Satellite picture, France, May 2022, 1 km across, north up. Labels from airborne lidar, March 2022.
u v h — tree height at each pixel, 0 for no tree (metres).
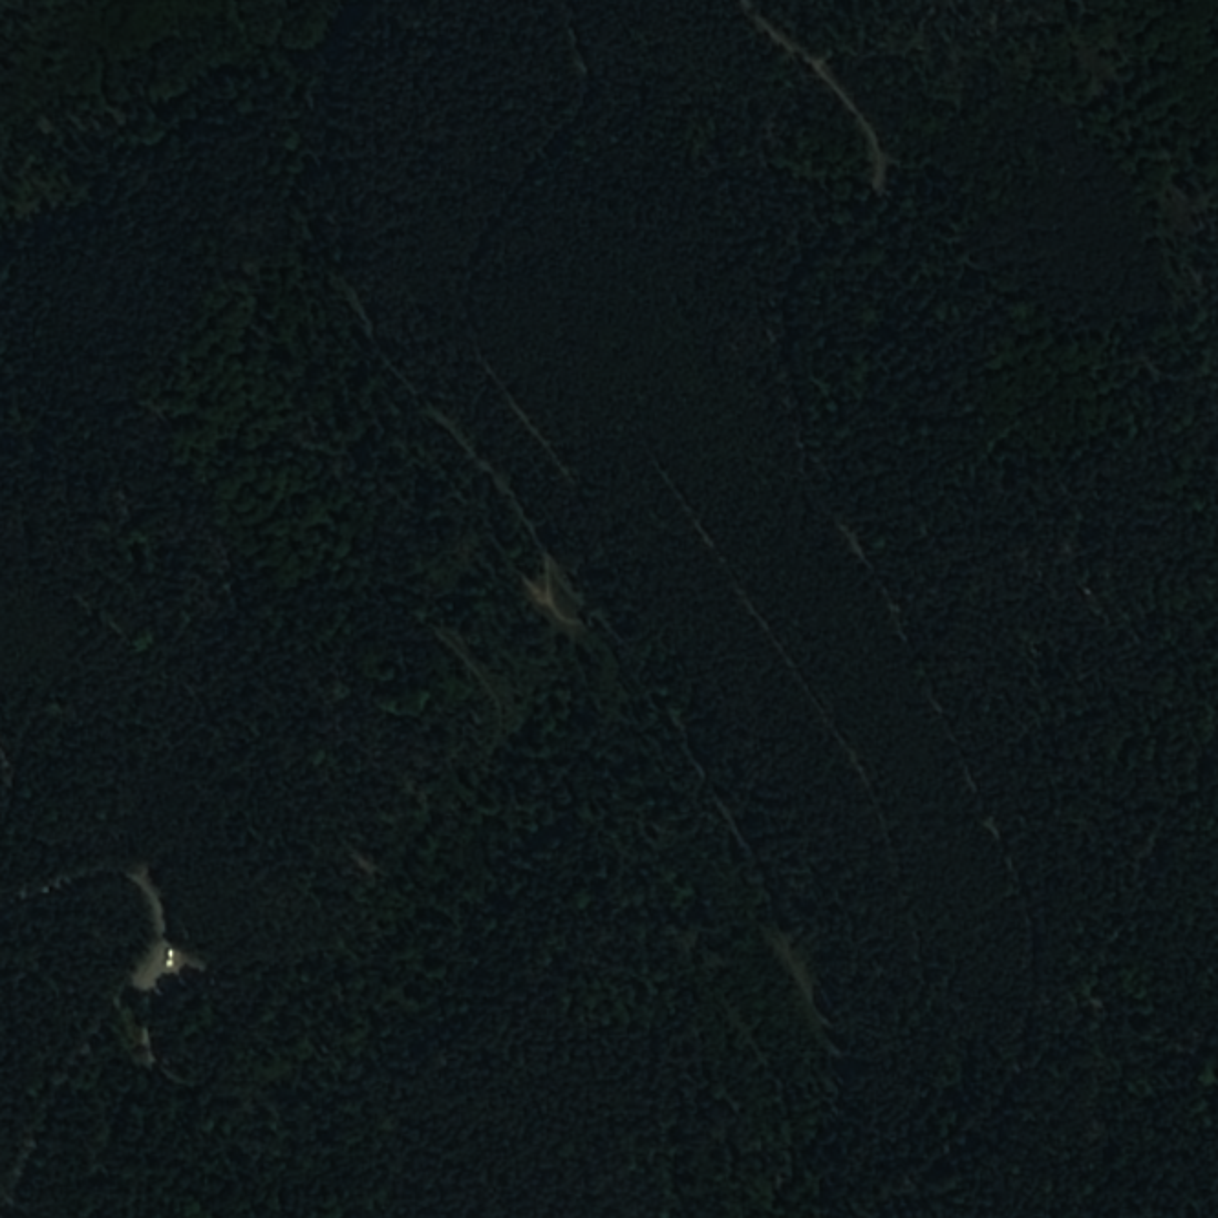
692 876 13
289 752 29
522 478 31
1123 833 23
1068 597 30
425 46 33
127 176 30
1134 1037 29
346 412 32
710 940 9
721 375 21
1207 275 25
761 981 11
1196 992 22
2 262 29
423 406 13
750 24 27
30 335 22
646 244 20
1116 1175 28
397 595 31
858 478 22
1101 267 15
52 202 0
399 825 29
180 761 23
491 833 16
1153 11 20
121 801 23
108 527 27
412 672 26
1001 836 23
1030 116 16
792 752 22
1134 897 24
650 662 33
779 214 27
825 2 28
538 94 25
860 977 25
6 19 24
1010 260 13
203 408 30
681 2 22
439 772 28
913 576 30
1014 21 29
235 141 23
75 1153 21
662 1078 30
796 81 32
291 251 14
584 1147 32
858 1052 30
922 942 24
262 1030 34
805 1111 14
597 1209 25
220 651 30
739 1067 20
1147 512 30
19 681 22
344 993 34
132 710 20
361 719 31
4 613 20
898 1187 33
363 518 28
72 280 24
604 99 24
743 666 23
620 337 20
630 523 24
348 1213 27
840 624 20
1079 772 27
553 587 0
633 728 25
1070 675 27
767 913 13
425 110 24
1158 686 26
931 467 23
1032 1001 24
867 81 15
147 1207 23
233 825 18
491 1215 25
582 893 28
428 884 14
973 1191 24
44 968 24
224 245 29
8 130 15
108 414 29
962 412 21
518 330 20
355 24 32
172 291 29
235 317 35
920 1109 28
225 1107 33
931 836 17
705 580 23
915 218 27
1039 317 19
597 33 27
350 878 29
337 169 33
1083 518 28
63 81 12
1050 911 23
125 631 27
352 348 8
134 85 21
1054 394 23
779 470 20
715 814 15
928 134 13
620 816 7
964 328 26
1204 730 13
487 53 26
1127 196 13
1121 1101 27
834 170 18
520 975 28
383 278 29
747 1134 30
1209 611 26
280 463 28
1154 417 30
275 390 28
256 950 26
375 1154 23
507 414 25
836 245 28
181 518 28
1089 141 11
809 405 26
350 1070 29
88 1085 22
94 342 24
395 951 29
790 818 18
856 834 24
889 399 24
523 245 22
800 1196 14
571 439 23
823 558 20
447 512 35
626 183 13
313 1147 26
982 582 25
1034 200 13
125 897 20
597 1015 27
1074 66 16
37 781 24
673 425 22
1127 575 30
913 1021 20
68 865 21
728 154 26
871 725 21
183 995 28
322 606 28
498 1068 27
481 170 19
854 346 27
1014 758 23
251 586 29
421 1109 23
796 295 27
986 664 27
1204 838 22
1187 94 20
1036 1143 24
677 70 23
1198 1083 27
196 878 21
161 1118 28
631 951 26
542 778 34
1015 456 30
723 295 23
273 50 17
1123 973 23
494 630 30
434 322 22
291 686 24
